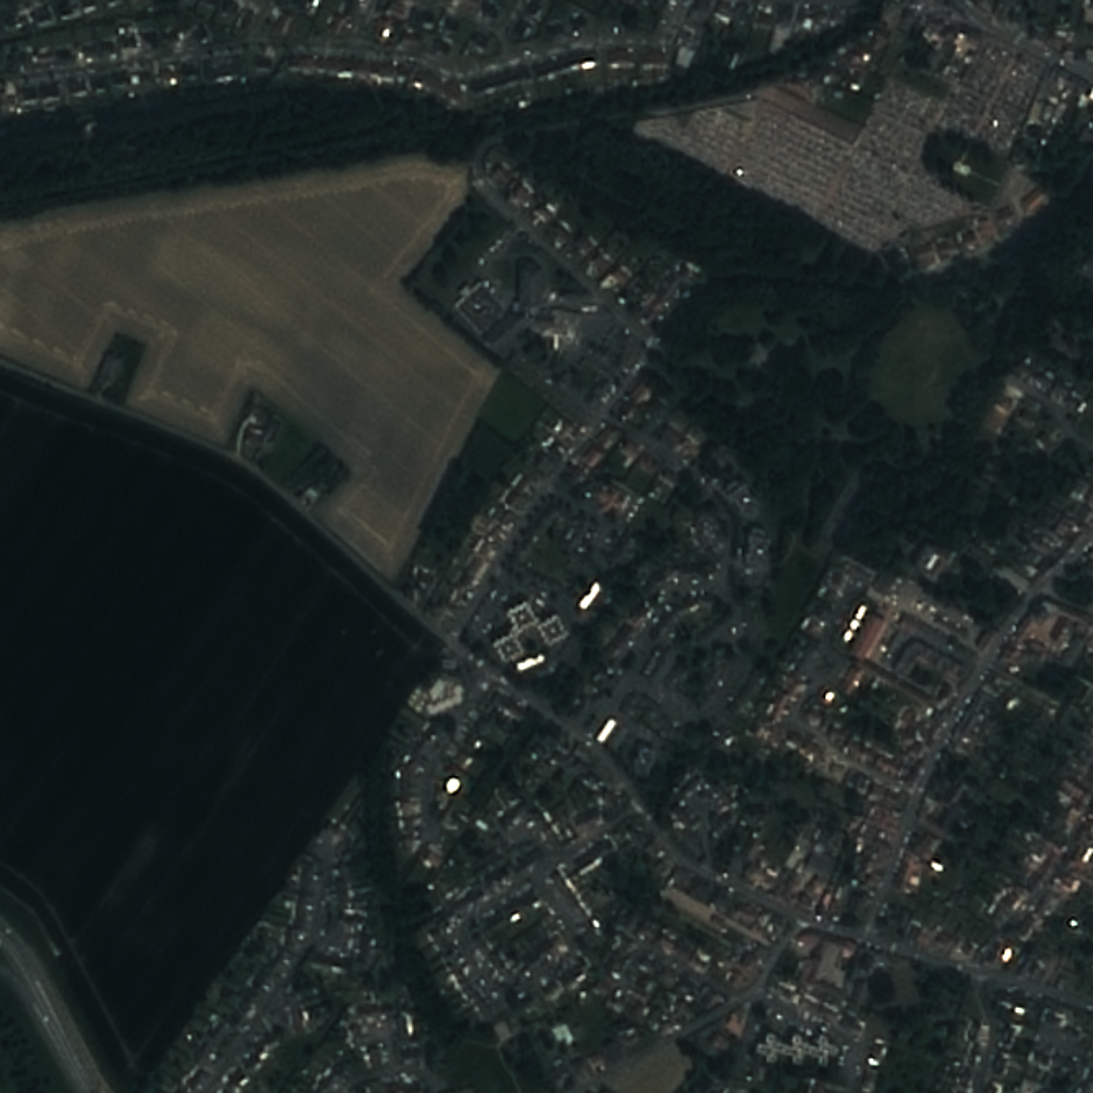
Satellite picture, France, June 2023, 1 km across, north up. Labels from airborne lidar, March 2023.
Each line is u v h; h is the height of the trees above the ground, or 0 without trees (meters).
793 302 17
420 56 0
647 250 0
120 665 0
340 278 0
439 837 0
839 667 0
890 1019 11
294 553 0
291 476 0
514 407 0
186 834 0
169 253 0
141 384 0
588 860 0
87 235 0
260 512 0
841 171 0
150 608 0
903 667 0
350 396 0
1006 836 7
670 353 13
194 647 0
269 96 21
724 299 18
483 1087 0
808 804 0
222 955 0
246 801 0
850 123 0
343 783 0
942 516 16
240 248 0
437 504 12
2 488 0
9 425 0
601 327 0
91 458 0
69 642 0
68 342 0
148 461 0
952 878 0
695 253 13
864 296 19
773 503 12
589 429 0
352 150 7
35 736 0
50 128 21
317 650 0
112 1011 0
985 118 0
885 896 0
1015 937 7
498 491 0
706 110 0
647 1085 0
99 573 0
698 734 15
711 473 10
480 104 0
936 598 11
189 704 0
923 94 0
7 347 0
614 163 10
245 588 0
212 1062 0
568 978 0
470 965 0
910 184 0
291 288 0
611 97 15
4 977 0
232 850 0
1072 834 0
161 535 0
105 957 0
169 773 0
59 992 0
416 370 0
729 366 13
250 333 0
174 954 0
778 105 0
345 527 0
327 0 0
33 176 13
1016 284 15
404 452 0
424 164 0
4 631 0
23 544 0
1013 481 13
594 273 0
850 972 8
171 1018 0
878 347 10
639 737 0
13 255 0
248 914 0
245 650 0
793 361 23
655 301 0
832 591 0
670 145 0
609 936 9
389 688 0
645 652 0
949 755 7
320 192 0
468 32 0
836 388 18
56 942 0
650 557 7
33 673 0
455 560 0
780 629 0
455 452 0
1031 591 0
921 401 0
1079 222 16
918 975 13
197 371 0
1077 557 0
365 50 0
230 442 0
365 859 15
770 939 0
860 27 14
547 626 0
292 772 0
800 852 0
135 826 0
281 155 12
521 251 0
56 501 0
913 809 0
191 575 0
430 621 0
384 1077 0
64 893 0
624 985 0
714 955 0
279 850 0
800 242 15
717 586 0
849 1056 0
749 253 15
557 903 0
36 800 0
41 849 0
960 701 0
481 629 0
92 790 0
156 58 0
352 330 0
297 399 0
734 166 0
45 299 0
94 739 0
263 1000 0
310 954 6
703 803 0
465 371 0
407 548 0
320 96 19
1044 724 0
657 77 0
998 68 0
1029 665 0
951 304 16
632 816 0
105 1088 0
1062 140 8
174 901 0
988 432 0
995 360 13
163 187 6
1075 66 0
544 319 0
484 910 0
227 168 7
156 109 20
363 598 0
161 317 0
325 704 0
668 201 17
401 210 0
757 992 0
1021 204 0
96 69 0
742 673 0
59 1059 0
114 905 0
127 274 0
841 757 0
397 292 0
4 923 0
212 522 0
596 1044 0
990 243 0
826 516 9
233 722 0
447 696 0
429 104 9
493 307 0
